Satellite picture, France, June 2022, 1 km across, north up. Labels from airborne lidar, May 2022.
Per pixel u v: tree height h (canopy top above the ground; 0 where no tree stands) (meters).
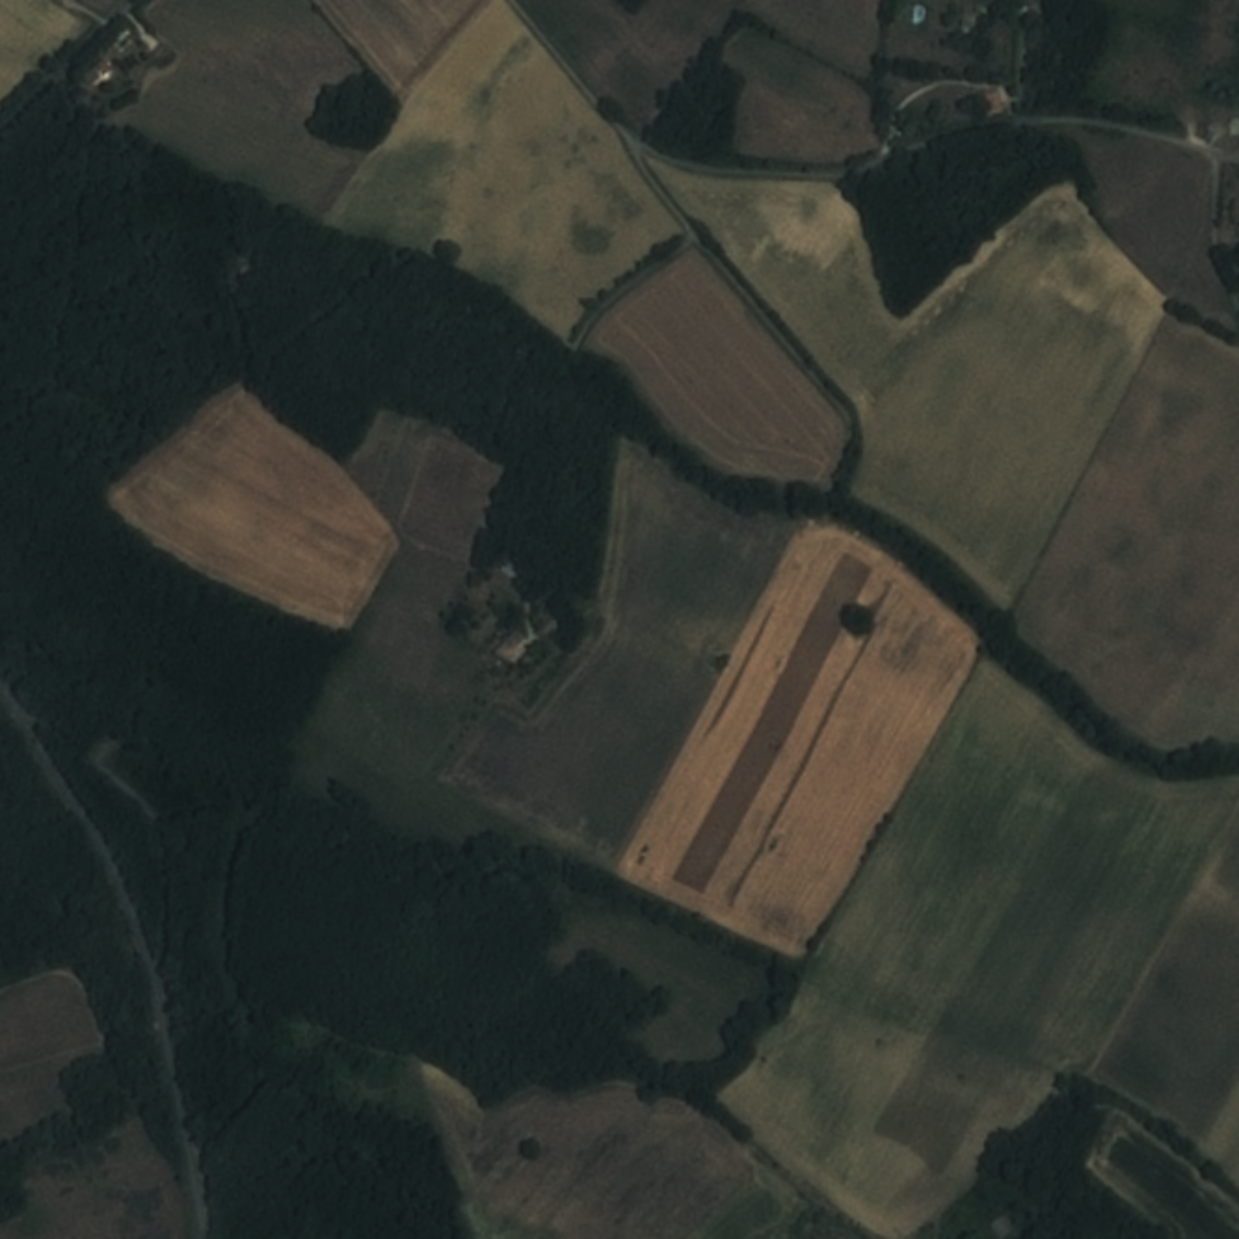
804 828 0
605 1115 0
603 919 0
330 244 17
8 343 21
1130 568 0
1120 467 0
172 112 0
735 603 0
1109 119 18
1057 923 0
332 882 19
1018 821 0
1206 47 0
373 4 0
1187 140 0
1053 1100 7
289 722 16
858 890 0
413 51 0
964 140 17
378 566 0
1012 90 10
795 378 0
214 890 0
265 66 0
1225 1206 0
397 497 0
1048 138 13
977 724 0
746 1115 0
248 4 0
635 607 0
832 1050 0
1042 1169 19
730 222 0
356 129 12
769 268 0
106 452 10
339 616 0
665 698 0
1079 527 0
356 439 14
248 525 0
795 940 0
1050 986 0
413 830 0
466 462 0
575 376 23
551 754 0
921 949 0
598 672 0
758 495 19
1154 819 0
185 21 0
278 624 13
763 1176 0
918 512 0
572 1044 14
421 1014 18
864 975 0
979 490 0
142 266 17
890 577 0
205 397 9
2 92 0
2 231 20
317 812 15
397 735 0
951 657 0
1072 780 0
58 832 17
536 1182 0
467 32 0
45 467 18
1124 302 0
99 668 22
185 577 14
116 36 10
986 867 0
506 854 14
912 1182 0
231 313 7
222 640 14
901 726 0
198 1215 0
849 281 0
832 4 0
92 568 17
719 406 0
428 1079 0
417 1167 14
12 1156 11
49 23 0
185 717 24
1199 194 0
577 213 0
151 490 0
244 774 26
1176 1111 0
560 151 0
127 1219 0
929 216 16
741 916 0
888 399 0
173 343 21
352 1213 15
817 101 0
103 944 18
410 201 0
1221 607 0
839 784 0
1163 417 0
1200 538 0
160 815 7
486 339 24
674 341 0
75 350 19
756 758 0
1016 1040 0
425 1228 31
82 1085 13
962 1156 0
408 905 19
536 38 0
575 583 15
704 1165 0
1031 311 0
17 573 23
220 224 9
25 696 21
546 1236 0
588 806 0
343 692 0
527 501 19
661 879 0
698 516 0
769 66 0
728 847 0
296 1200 10
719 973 0
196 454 0
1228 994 0
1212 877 0
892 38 0
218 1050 11
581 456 19
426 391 23
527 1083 12
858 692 0
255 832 12
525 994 15
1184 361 0
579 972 17
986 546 0
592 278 0
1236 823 0
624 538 0
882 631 0
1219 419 0
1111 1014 0
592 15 0
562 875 16
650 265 12
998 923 0
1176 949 0
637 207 0
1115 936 0
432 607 0
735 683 0
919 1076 0
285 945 12
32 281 23
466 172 0
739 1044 17
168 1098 12
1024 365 0
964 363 0
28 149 17
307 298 14
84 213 29
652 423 17
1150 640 0
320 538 0
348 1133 16
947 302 0
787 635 0
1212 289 0
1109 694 0
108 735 21
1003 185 7
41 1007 0
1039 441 0
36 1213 0
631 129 6
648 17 0
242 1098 10
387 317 19
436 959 11
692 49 0
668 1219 0
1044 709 0
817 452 0
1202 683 0
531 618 6
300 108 0
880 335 0
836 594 0
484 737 0
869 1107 0
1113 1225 11
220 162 0
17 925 19
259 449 0
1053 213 0
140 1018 15
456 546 0
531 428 19
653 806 0
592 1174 0
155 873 17
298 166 0
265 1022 14
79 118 15
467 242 0
